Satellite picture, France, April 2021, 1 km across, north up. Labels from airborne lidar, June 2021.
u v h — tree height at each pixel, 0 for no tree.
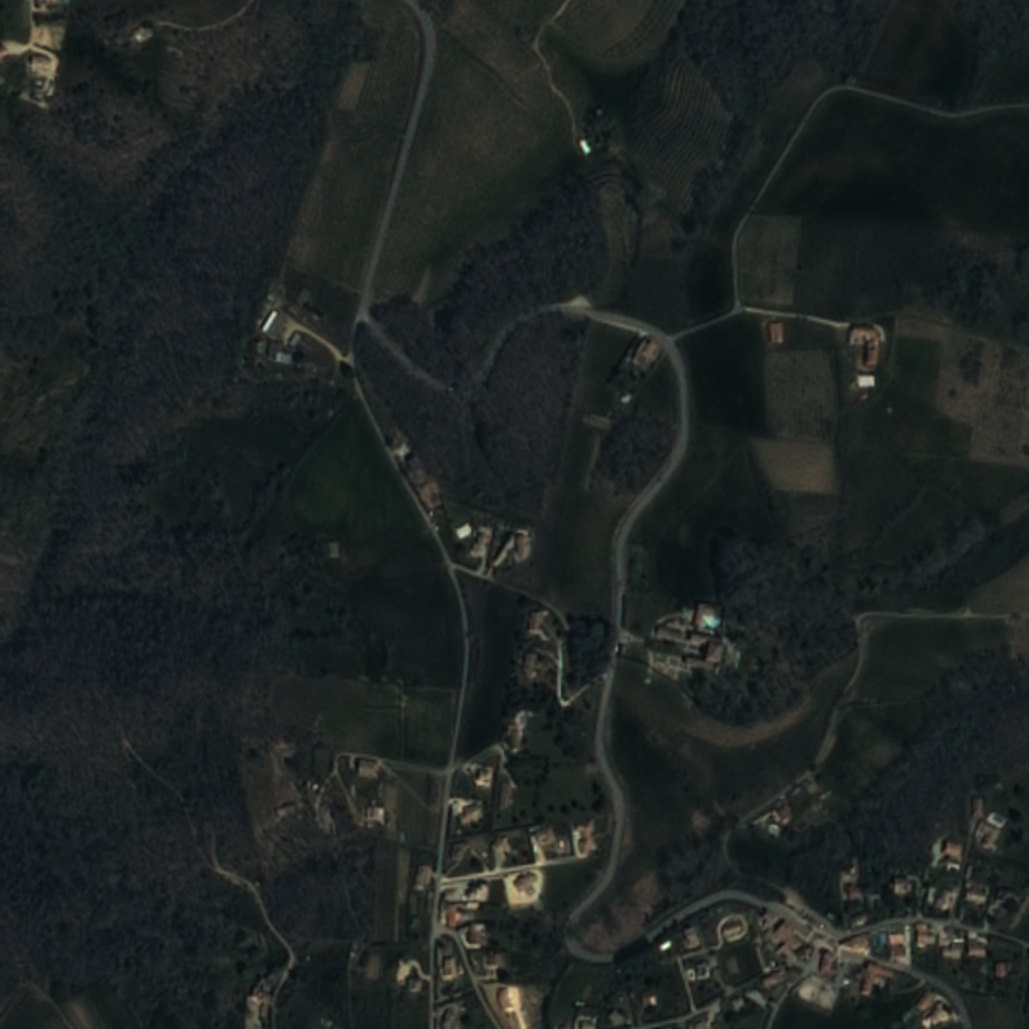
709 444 0
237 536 10
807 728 0
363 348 12
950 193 0
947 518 0
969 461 0
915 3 0
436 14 15
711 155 0
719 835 13
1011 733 15
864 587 17
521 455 13
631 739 0
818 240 0
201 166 22
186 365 16
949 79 0
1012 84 0
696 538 0
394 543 0
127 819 9
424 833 0
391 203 0
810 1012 0
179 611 16
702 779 0
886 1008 0
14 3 0
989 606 0
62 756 11
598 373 0
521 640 8
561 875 0
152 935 15
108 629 17
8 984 11
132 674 12
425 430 13
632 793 0
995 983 8
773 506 8
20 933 13
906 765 19
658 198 16
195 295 16
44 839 15
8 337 9
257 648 11
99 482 14
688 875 21
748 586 20
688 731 0
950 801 15
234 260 14
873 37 8
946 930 0
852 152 0
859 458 0
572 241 16
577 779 0
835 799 0
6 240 12
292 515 0
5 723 12
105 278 19
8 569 13
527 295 17
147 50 8
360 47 9
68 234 7
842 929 8
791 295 0
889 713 0
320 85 21
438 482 7
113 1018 0
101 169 9
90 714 10
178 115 8
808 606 18
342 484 0
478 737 0
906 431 0
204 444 0
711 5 18
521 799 0
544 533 0
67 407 7
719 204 12
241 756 7
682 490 0
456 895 0
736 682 23
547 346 12
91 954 16
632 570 9
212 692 7
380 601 0
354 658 0
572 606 0
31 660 16
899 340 0
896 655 0
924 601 0
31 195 8
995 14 19
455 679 0
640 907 0
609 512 0
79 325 0
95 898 19
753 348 0
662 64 6
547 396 9
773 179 0
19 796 14
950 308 8
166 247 21
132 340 17
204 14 0
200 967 6
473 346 13
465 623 0
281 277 0
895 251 0
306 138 18
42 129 6
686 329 0
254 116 25
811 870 8
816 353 0
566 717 9
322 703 0
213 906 11
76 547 14
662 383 0
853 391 0
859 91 0
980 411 0
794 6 12
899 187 0
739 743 0
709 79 13
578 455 0
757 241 0
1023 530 0
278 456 0
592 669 17
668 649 13
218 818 10
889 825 26
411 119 0
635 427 15
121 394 16
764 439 0
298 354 8
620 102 0
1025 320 22
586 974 0
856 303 0
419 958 0
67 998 13
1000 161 0
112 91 7
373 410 0
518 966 0
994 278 19
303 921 13
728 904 0
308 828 11
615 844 0
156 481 15
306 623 0
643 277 0
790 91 0
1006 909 12
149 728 8
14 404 0
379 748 0
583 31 0
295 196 17
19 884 16
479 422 17
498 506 9
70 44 0
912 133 0
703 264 0
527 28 6
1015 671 15
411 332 21
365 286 0
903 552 0
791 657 17
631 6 0
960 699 20
